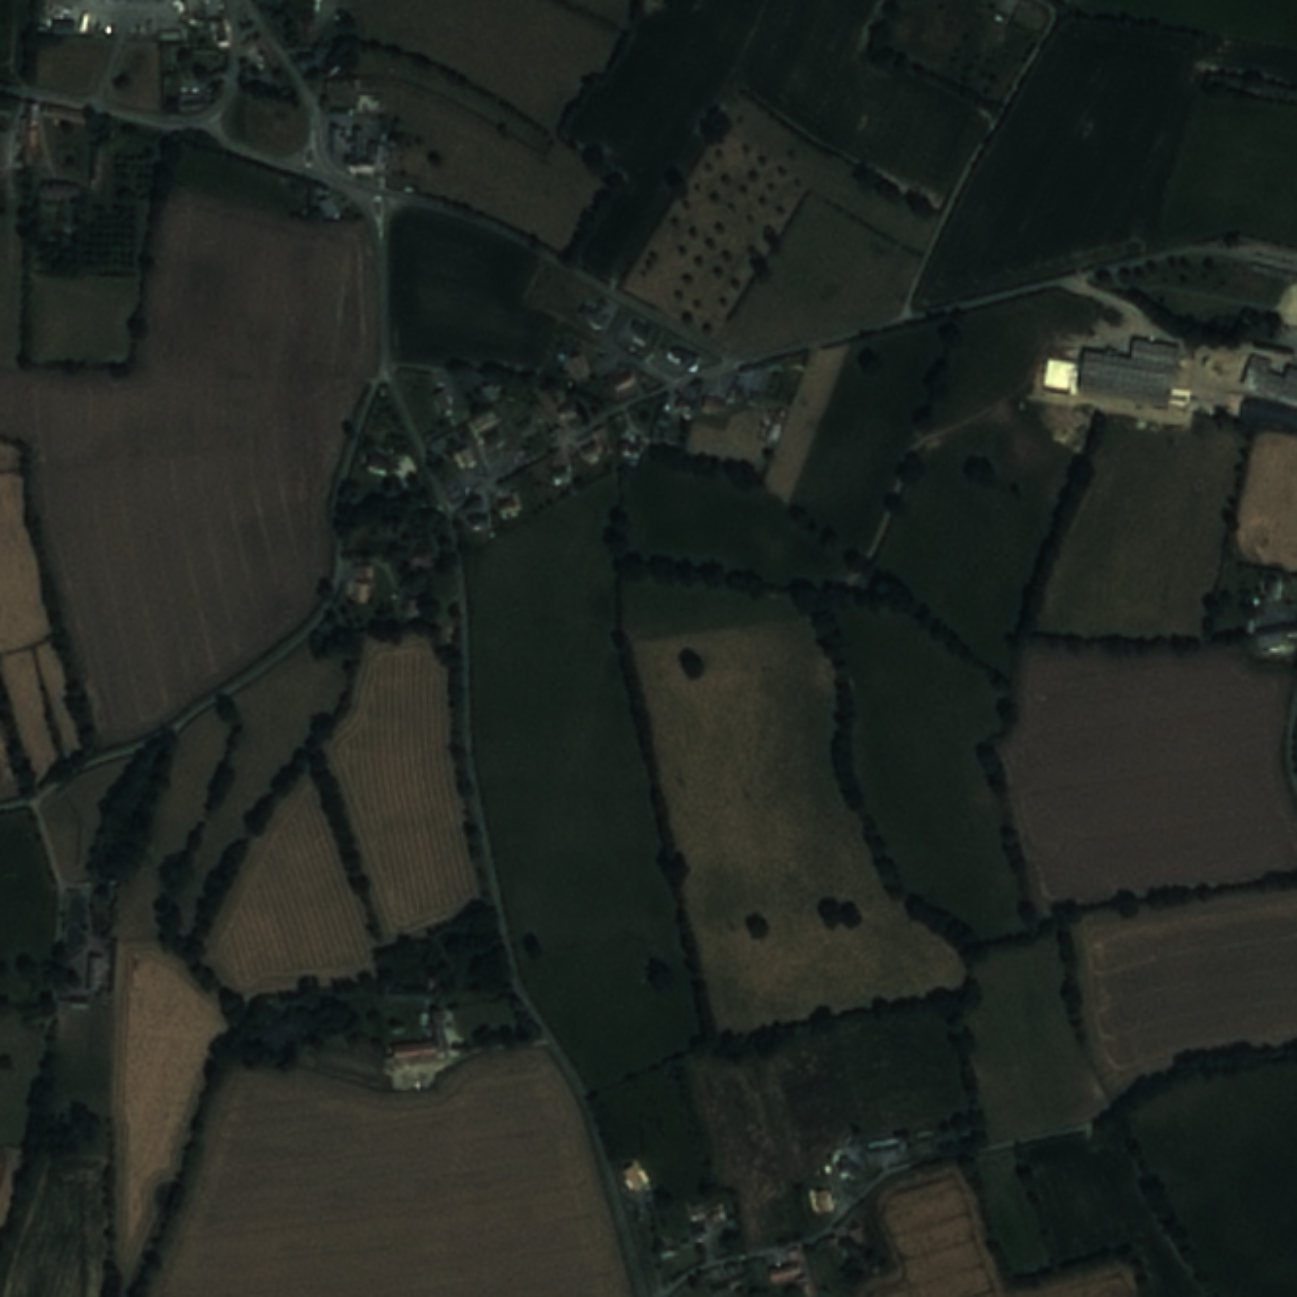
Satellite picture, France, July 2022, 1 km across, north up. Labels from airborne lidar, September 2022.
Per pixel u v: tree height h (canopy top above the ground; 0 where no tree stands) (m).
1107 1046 0
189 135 5
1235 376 0
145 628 0
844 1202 0
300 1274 0
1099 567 0
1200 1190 0
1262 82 13
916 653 0
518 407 0
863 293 0
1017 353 0
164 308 0
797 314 0
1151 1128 0
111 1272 11
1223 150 0
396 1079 0
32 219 9
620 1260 0
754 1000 0
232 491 0
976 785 0
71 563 0
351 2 0
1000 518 0
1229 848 0
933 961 0
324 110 8
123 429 0
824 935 0
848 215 0
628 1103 0
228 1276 0
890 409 0
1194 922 0
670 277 0
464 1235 0
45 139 0
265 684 0
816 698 0
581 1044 0
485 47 0
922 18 0
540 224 0
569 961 0
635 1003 0
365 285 0
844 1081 0
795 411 0
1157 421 0
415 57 8
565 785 0
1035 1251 0
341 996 12
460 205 8
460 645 7
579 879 0
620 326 0
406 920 0
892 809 0
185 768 0
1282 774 0
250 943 0
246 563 0
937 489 0
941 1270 0
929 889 0
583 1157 0
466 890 0
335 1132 0
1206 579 0
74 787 0
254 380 0
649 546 0
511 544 0
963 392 0
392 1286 0
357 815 0
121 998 0
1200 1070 18
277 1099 0
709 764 0
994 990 0
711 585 15
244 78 8
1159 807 0
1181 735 0
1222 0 0
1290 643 0
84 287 0
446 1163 0
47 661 0
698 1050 12
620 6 0
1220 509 0
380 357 0
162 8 0
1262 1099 0
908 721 0
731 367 0
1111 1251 11
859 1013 8
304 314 0
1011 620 0
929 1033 0
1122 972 0
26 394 0
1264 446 0
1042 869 0
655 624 0
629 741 0
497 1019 0
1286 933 0
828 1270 0
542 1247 0
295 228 0
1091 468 14
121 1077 0
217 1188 0
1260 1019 0
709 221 0
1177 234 0
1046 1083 0
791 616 0
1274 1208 0
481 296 0
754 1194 0
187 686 0
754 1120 0
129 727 0
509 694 0
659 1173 0
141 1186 0
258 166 9
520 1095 0
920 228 0
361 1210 0
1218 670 0
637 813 0
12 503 0
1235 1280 0
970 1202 0
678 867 21
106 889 8
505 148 0
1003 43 0
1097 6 0
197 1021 0
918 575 0
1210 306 0
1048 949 0
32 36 11
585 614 0
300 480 0
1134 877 0
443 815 0
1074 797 0
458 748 11
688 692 0
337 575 0
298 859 0
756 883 0
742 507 0
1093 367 0
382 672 0
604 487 0
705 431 0
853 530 0
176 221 0
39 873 0
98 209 6
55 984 15
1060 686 0
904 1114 0
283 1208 0
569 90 0
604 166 20
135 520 0
